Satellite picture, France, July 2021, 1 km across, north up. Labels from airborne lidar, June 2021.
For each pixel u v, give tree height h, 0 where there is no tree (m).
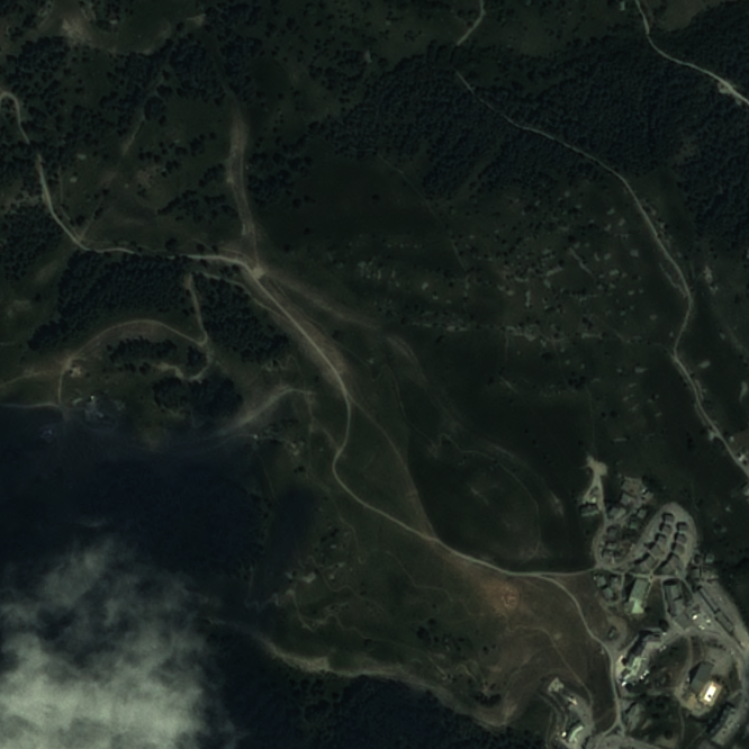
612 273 0
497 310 0
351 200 0
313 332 0
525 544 0
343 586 0
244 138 0
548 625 0
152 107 21
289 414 0
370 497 0
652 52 16
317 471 0
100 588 27
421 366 0
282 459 0
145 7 0
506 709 0
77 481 0
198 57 29
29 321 0
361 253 0
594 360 0
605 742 0
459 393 0
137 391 0
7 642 28
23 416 0
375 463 0
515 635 0
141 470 27
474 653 0
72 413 0
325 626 0
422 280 0
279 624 0
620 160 11
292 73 0
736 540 0
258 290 0
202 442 0
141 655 0
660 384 0
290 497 0
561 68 12
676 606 0
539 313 0
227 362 0
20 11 17
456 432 0
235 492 29
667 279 0
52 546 0
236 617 0
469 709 0
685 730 0
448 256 0
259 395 0
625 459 0
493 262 0
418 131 10
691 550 0
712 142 14
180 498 30
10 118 9
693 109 11
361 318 0
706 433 9
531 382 0
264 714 29
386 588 0
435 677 0
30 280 0
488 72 0
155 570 0
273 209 0
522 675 0
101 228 0
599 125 19
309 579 0
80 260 25
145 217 0
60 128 16
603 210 0
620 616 0
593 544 0
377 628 0
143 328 0
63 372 0
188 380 0
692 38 11
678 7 0
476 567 0
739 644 0
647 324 0
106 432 0
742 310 0
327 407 0
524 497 0
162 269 13
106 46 0
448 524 0
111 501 31
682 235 0
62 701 17
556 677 0
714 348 0
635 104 18
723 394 0
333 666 0
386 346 0
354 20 8
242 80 28
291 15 0
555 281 0
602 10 0
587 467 0
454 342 0
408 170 0
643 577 0
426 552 0
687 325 0
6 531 0
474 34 0
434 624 11
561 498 0
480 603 0
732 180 25
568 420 0
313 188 0
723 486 0
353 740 28
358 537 0
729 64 10
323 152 0
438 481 0
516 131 13
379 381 0
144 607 0
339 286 0
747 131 7
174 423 0
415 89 16
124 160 0
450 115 19
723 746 0
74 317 28
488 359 0
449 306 0
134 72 14
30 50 22
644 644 0
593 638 0
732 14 13
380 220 0
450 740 16
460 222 0
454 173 13
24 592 0
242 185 0
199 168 0
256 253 0
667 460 0
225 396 30
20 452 15
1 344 0
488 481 0
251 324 26
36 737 17
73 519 0
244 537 21
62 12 0
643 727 0
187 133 0
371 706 23
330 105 0
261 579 0
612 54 11
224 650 16
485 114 21
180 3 0
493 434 0
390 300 0
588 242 0
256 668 0
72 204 0
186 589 0
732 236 18
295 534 0
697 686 0
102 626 29
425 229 0
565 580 0
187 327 0
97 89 0
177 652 9
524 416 0
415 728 24
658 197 0
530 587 0
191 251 0
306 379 0
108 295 28
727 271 0
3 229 18
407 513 0
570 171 8
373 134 8
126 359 24
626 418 0
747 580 0
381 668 0
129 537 28
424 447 0
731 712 0
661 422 0
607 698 0
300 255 0
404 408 0
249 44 10
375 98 14
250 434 0
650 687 0
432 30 0
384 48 0
